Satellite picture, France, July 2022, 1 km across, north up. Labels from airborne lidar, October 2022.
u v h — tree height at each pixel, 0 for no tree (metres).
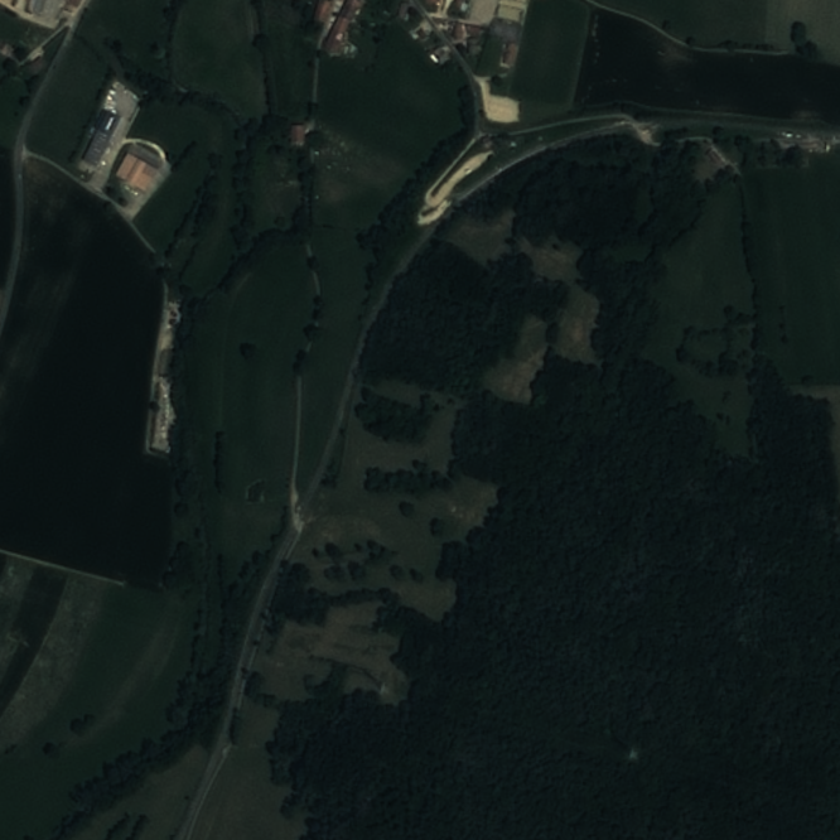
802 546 15
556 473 16
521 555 19
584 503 16
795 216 0
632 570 6
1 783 0
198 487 32
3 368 0
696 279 0
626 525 14
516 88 0
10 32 0
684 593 11
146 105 14
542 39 0
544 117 0
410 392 0
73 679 0
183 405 17
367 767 21
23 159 0
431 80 0
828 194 0
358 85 0
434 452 0
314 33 10
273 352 0
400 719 23
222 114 9
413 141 0
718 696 17
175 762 14
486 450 20
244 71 0
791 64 0
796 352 0
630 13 0
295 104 0
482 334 15
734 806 12
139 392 0
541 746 8
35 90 12
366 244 18
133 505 0
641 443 16
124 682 0
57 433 0
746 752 20
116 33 0
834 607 14
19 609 0
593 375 15
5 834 0
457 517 0
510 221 0
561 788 11
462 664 17
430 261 12
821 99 0
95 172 0
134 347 0
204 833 0
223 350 0
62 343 0
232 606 13
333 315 0
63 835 8
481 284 9
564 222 27
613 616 15
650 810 9
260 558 15
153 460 0
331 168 0
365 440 0
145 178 0
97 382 0
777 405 22
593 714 10
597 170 14
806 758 11
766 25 0
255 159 8
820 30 0
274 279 0
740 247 0
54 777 0
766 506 22
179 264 0
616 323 14
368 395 16
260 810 0
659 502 18
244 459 0
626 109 9
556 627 21
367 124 0
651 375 16
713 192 18
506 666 12
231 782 0
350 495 0
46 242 0
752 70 0
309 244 19
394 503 0
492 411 18
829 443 23
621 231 17
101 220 0
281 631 16
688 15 0
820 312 0
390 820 14
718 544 12
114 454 0
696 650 21
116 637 0
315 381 0
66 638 0
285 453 0
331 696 17
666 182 21
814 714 18
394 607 17
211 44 0
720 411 0
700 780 12
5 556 0
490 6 0
